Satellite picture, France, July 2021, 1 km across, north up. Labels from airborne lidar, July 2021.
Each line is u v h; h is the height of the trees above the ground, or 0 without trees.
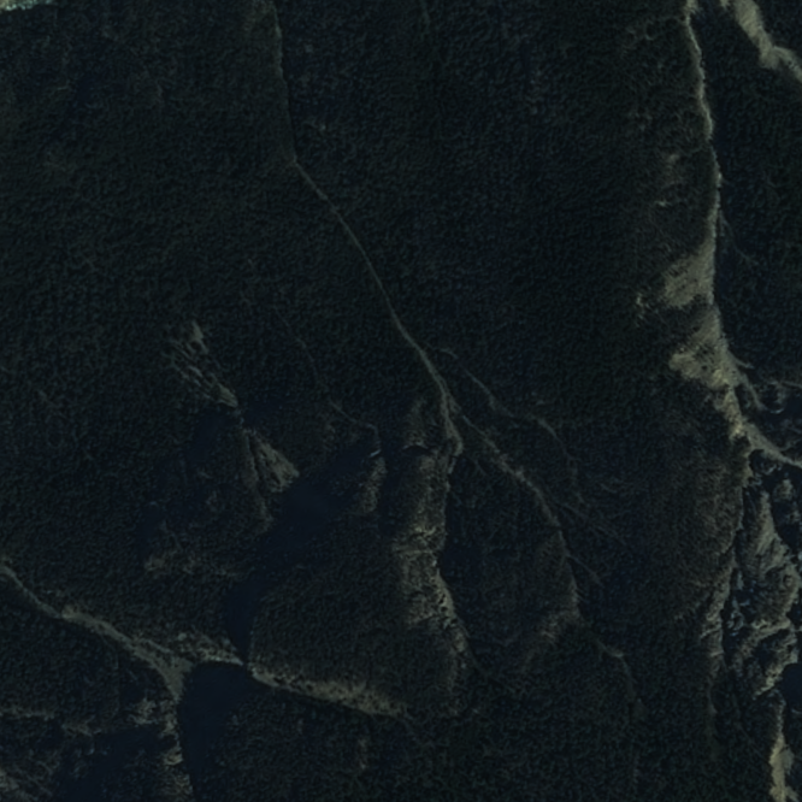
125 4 11
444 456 6
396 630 11
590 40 17
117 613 13
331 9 9
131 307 9
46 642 17
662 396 20
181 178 12
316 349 12
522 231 8
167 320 8
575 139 11
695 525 17
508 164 18
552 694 16
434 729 11
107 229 17
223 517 6
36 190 12
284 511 13
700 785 18
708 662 9
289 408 15
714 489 12
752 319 14
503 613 8
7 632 16
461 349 13
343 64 14
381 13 11
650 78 13
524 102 11
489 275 11
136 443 19
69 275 7
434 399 10
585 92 14
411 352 13
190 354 9
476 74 20
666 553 17
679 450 14
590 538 16
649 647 18
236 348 16
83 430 18
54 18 8
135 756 10
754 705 18
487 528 17
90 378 15
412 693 16
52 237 12
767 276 13
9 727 9
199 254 7
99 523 13
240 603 18
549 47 10
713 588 9
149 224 8
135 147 12
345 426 11
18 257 10
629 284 16
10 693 8
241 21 8
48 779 6
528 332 20
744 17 0
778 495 8
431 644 11
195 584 15
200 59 19
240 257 10
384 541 9
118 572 11
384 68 14
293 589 16
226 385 8
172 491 10
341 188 15
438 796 14
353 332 19
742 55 18
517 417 8
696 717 16
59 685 18
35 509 13
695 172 10
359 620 12
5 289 11
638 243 17
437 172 15
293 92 13
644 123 15
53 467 12
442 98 20
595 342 18
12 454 14
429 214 13
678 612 16
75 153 11
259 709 9
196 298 16
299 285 20
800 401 9
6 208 12
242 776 18
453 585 20
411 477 10
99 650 18
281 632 15
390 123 15
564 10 11
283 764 14
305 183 15
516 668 11
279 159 11
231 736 13
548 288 22
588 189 12
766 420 10
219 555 9
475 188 16
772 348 18
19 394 12
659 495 18
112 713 11
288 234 18
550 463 17
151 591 12
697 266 0
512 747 16
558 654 21
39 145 15
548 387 13
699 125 9
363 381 17
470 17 17
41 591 8
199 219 15
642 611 19
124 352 13
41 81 7
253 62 14
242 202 14
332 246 11
